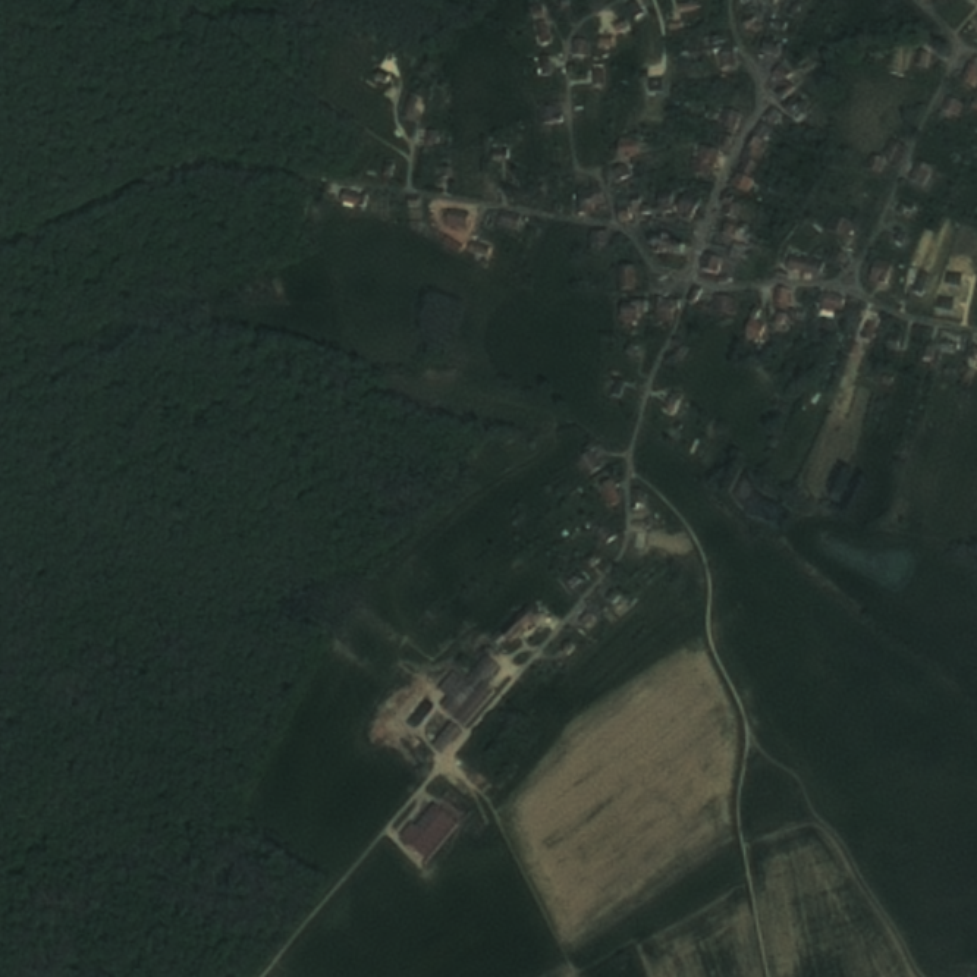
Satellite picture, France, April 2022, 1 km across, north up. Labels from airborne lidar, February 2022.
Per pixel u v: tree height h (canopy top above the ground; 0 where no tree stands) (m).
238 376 23
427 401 0
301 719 0
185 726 26
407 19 14
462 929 0
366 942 0
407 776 0
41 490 23
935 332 0
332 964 0
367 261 0
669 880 0
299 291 0
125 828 25
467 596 8
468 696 0
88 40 25
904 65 0
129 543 24
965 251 0
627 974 0
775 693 0
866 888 0
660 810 0
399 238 0
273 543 28
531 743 13
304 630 24
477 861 0
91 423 23
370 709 0
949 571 0
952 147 9
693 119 6
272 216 25
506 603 0
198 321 28
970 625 0
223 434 23
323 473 22
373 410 23
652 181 12
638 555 0
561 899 0
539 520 0
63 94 25
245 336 22
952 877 0
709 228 0
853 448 0
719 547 0
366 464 22
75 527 24
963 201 0
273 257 22
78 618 22
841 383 17
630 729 0
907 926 0
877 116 0
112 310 22
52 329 25
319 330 0
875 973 0
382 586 0
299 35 26
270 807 0
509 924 0
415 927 0
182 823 24
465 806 0
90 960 21
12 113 22
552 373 0
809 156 0
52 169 20
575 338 0
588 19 0
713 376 0
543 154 0
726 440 0
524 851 0
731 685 0
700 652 0
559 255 0
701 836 0
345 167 26
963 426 0
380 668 0
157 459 23
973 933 0
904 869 0
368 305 0
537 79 0
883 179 0
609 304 0
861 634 0
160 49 24
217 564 24
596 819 0
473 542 0
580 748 0
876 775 0
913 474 0
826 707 0
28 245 19
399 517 23
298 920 18
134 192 18
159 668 26
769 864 0
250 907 25
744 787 0
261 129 26
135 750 25
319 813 0
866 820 0
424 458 22
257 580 24
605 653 0
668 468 0
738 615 0
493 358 0
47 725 24
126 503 30
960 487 0
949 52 15
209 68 23
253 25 27
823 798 0
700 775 0
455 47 16
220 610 29
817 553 0
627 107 0
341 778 0
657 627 0
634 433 0
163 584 25
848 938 0
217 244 25
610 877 0
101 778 29
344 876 0
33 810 25
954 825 0
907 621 0
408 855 0
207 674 27
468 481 18
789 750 0
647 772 0
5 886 23
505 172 0
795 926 0
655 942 0
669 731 0
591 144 0
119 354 27
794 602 0
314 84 23
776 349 15
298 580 26
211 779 27
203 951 21
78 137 22
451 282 0
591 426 0
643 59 0
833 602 0
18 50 25
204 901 28
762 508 0
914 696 0
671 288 0
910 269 0
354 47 0
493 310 0
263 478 24
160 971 25
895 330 10
